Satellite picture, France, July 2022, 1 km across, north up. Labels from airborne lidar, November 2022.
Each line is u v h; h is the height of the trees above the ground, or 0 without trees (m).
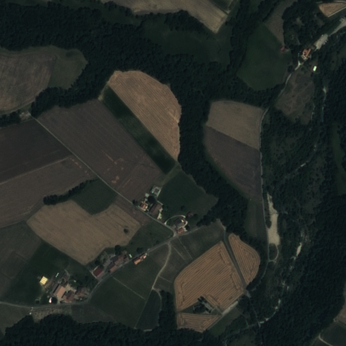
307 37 11
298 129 12
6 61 0
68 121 0
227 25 13
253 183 0
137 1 0
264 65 0
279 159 9
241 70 0
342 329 0
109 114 0
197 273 0
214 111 0
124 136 0
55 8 23
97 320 0
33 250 0
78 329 19
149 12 0
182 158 17
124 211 0
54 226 0
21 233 0
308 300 15
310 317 9
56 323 34
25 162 0
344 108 22
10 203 0
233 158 0
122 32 27
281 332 22
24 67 0
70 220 0
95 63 21
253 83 0
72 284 0
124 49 33
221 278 0
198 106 23
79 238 0
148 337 25
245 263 0
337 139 0
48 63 0
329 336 0
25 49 16
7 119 24
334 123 10
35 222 0
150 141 0
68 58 0
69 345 30
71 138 0
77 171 0
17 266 0
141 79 0
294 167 10
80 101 21
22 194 0
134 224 0
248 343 0
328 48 9
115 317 0
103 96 0
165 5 0
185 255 0
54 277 0
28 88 0
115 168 0
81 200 0
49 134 0
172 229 0
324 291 27
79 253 0
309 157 15
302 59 13
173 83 20
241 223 19
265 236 0
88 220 0
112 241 0
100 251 0
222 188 24
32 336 37
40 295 0
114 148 0
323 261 25
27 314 0
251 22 19
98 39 24
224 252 0
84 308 0
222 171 0
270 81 0
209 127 0
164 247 0
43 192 0
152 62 29
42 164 0
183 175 0
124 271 0
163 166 0
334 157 20
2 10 24
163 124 0
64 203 0
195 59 17
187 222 12
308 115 0
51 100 29
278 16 0
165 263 0
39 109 27
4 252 0
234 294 0
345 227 29
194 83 25
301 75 0
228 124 0
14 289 0
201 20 0
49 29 28
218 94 9
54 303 15
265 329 14
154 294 0
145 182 0
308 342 14
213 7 0
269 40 0
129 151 0
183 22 20
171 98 0
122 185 0
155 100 0
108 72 16
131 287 0
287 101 0
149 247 0
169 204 0
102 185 0
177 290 0
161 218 0
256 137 0
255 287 17
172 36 0
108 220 0
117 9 25
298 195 11
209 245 0
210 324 0
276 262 0
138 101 0
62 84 0
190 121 20
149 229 0
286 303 6
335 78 13
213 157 0
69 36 25
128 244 0
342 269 23
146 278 0
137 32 17
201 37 0
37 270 0
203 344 18
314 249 19
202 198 0
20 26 26
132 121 0
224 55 0
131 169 0
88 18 23
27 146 0
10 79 0
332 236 30
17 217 0
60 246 0
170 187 0
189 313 0
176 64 10
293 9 14
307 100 0
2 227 0
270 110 10
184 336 25
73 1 0
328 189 7
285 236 12
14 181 0
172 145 0
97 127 0
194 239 0
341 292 19
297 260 9
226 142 0
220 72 16
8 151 0
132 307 0
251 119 0
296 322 17
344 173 0
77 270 0
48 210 0
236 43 18
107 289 0
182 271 0
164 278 0
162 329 20
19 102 0
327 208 26
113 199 0
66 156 0
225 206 22
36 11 22
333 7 0
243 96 22
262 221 0
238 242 0
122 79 0
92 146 0
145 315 0
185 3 0
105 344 29
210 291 0
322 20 10
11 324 0
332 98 17
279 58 0
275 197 11
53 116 0
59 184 0
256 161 0
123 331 19
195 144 16
